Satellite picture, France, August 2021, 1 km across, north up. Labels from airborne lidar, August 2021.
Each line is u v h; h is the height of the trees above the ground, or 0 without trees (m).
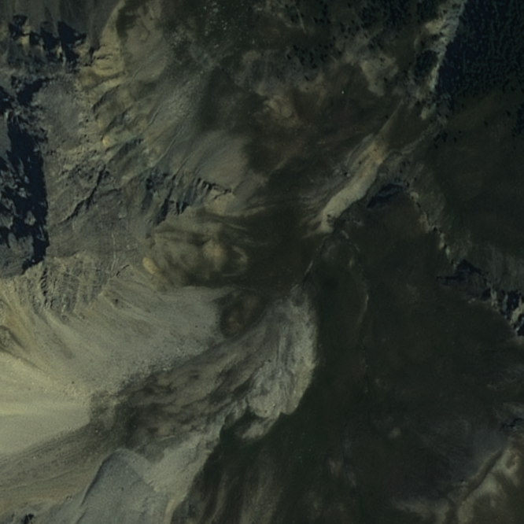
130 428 0
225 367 0
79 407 0
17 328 0
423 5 6
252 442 0
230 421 0
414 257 0
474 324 0
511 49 16
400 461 0
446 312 0
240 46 0
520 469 0
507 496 0
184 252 0
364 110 0
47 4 0
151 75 0
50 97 0
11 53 0
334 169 0
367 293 0
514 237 0
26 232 0
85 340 0
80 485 0
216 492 0
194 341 0
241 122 0
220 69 0
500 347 0
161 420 0
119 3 0
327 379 0
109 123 0
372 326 0
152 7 0
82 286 0
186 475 0
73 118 0
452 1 0
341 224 0
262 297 0
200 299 0
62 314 0
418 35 0
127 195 0
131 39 0
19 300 0
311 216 0
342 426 0
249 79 0
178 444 0
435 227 0
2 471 0
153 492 0
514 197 0
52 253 0
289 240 0
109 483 0
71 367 0
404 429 0
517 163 0
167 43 0
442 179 0
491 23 12
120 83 0
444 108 0
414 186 0
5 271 0
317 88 0
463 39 7
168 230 0
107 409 0
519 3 20
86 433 0
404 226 0
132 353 0
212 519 0
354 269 0
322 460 0
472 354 0
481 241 0
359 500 0
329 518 0
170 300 0
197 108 0
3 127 0
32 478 0
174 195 0
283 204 0
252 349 0
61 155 0
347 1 0
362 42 0
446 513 0
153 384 0
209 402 0
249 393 0
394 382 0
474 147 0
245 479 0
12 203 0
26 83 0
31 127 0
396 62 0
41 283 0
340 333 0
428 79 0
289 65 0
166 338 0
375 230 0
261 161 0
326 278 0
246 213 0
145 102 0
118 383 0
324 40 0
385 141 0
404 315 0
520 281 0
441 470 0
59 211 0
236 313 0
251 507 0
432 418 0
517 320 0
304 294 0
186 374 0
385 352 0
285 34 0
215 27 0
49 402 0
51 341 0
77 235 0
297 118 0
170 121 0
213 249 0
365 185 0
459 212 0
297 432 0
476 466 0
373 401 0
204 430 0
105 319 0
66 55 0
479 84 13
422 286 0
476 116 0
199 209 0
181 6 0
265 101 0
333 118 0
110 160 0
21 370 0
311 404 0
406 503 0
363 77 0
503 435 0
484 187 0
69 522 0
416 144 0
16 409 0
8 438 0
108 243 0
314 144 0
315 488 0
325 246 0
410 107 0
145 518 0
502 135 0
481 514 0
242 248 0
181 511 0
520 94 0
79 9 0
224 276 0
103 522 0
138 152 0
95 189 0
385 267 0
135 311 0
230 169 0
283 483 0
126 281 0
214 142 0
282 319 0
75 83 0
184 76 0
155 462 0
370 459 0
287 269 0
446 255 0
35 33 0
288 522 0
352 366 0
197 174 0
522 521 0
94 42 0
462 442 0
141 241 0
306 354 0
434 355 0
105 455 0
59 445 0
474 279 0
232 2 0
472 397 0
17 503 0
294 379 0
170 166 0
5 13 0
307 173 0
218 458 0
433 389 0
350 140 0
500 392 0
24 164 0
